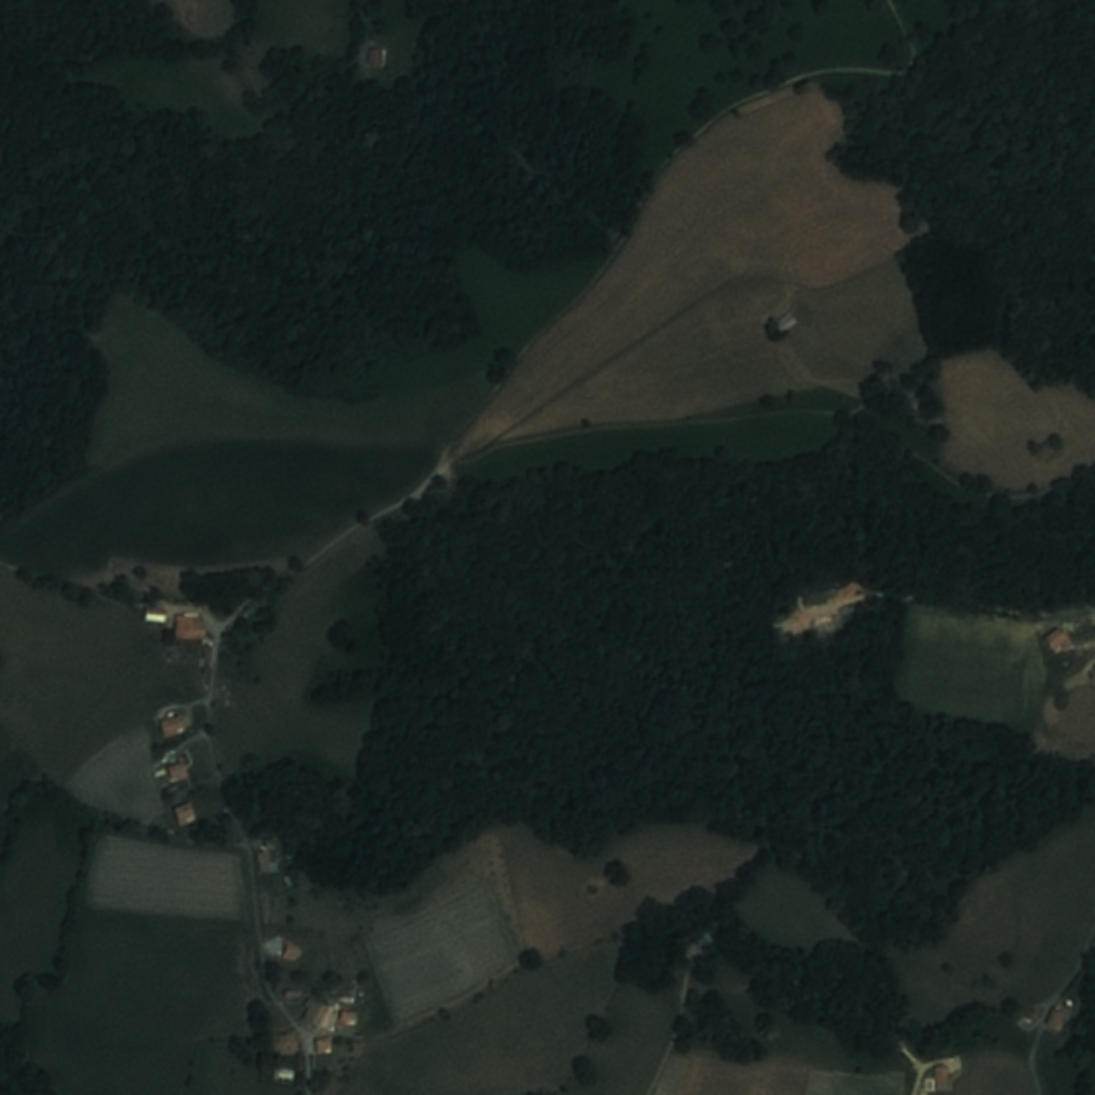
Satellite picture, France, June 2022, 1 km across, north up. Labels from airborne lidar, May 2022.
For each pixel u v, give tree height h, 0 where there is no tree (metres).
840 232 0
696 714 15
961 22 6
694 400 0
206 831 16
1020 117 28
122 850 0
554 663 32
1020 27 11
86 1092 0
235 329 14
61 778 0
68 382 14
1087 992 17
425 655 22
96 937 0
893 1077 0
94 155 22
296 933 0
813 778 25
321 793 18
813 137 0
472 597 24
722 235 0
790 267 0
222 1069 0
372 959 0
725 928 15
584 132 18
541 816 25
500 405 0
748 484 17
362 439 0
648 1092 0
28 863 0
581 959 0
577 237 19
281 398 0
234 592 12
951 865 18
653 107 0
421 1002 0
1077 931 0
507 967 0
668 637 20
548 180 7
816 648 23
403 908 0
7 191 18
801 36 11
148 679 0
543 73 9
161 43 15
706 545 21
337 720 0
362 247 24
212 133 13
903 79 14
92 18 21
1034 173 21
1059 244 19
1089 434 0
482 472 0
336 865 12
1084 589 19
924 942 18
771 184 0
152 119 10
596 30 12
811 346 0
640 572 22
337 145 14
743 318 0
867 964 22
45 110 24
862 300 0
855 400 0
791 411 0
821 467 16
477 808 15
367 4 7
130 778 0
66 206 21
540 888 0
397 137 21
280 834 12
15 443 25
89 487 0
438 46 24
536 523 14
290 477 0
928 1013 0
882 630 28
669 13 0
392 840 20
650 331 0
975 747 32
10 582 0
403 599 12
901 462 9
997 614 18
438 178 21
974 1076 0
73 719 0
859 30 0
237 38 23
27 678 0
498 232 15
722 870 0
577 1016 0
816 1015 22
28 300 23
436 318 13
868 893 15
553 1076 0
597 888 0
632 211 13
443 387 0
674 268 0
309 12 0
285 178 19
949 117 29
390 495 0
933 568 18
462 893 0
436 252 15
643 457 10
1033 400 0
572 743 24
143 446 0
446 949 0
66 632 0
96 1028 0
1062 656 0
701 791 31
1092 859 0
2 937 0
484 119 31
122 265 16
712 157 0
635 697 30
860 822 25
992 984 13
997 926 0
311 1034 0
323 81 8
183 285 13
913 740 26
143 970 0
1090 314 22
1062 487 10
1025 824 26
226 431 0
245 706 0
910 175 16
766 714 26
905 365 0
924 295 14
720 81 9
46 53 27
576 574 22
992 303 19
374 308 17
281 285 21
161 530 0
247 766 12
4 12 19
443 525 17
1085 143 28
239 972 0
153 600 15
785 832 17
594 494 16
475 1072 0
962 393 0
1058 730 0
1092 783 13
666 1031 0
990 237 18
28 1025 6
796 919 0
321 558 0
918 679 0
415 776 26
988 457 0
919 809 27
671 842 0
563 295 0
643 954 29
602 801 31
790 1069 0
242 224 20
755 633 26
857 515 21
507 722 22
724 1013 13
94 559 0
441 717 24
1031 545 21
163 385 0
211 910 0
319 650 0
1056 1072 0
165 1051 0
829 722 25
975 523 16
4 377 26
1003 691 0
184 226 21
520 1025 0
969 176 24
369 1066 0
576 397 0
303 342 14
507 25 23
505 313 0
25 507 8
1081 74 25
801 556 27
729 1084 0
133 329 0
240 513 0
